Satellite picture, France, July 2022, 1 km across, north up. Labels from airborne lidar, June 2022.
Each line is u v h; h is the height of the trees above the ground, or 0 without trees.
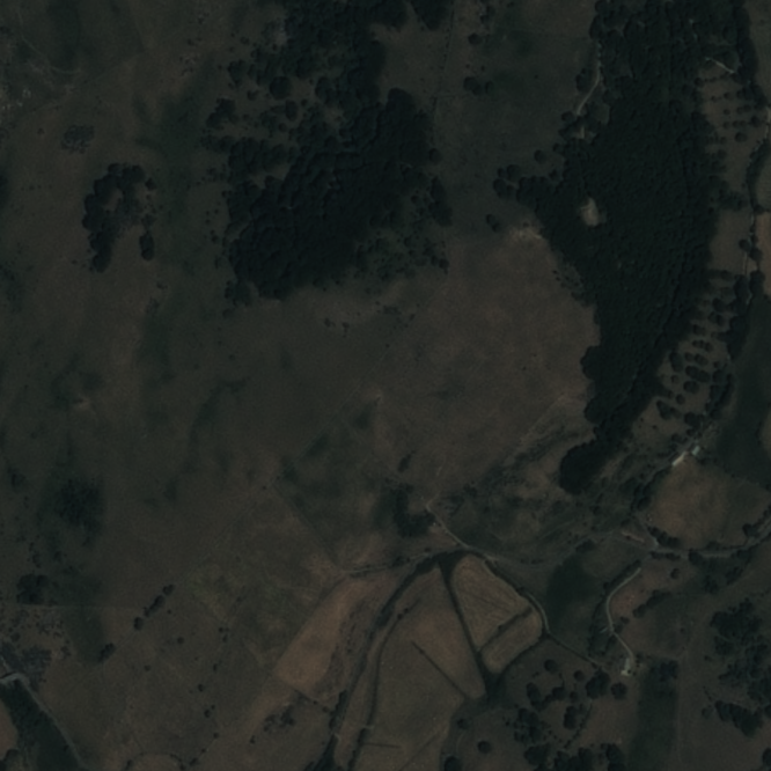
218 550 0
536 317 0
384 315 0
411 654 0
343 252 17
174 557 0
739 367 0
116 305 0
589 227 7
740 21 18
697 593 0
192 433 0
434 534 0
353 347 0
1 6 0
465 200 0
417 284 0
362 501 0
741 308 20
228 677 0
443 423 0
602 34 13
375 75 15
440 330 0
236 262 13
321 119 8
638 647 0
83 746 0
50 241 0
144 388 0
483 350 0
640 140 16
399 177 8
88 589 0
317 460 0
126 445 0
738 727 10
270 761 0
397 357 0
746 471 0
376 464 0
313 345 0
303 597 0
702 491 0
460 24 0
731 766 0
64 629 0
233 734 0
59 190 0
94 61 0
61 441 0
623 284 11
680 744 0
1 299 0
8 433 0
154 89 0
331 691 0
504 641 0
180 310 0
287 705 0
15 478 8
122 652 0
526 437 0
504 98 0
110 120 0
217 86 0
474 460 0
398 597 6
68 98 0
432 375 0
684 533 0
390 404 0
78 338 0
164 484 0
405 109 21
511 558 0
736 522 0
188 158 0
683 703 0
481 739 0
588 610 0
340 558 0
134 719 0
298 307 0
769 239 0
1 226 0
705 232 21
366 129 16
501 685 6
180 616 0
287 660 0
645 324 14
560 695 14
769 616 0
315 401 0
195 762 6
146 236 7
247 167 6
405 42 0
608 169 12
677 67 16
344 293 0
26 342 0
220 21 0
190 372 0
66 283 0
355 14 18
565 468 14
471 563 0
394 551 0
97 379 0
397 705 0
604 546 0
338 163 16
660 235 17
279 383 0
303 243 21
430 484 0
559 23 0
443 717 0
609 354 11
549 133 0
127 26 0
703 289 17
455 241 0
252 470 0
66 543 0
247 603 0
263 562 0
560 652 0
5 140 0
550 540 0
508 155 0
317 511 0
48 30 0
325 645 0
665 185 14
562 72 0
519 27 0
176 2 0
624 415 17
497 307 0
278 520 0
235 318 0
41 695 0
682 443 7
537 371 0
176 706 0
